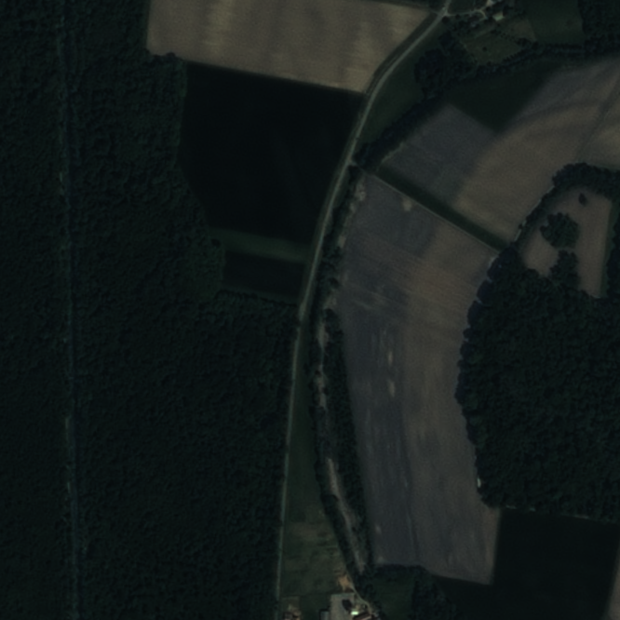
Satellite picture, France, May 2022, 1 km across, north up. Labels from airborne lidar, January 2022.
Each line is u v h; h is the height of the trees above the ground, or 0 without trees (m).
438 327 0
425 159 0
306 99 0
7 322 23
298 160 0
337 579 0
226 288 0
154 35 0
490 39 0
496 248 0
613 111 0
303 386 0
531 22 0
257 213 0
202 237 26
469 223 0
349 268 0
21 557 24
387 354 0
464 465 0
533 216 12
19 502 17
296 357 0
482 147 0
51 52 18
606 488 27
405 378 0
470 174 0
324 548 0
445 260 0
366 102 0
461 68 18
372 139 0
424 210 0
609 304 21
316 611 0
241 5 0
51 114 21
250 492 10
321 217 0
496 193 0
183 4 0
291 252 0
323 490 9
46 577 10
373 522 0
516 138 0
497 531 0
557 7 0
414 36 0
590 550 0
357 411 0
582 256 0
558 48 13
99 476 24
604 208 0
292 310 9
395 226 0
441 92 32
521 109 0
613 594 0
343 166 0
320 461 7
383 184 0
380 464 0
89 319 21
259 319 25
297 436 0
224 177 0
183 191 12
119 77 17
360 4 0
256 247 0
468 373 25
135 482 20
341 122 0
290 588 0
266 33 0
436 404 0
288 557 0
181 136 0
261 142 0
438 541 0
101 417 24
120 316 22
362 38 0
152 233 9
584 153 0
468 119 0
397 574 21
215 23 0
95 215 18
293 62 0
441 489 0
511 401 17
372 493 0
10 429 16
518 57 11
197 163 0
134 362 17
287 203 0
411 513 0
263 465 12
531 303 18
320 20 0
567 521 0
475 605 0
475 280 0
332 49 0
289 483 0
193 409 10
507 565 0
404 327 0
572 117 0
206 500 15
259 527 19
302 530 0
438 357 0
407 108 0
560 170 0
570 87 0
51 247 24
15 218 23
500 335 25
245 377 26
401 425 0
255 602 23
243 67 0
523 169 0
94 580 12
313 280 0
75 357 8
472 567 0
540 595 0
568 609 0
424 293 0
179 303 17
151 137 26
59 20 10
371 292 0
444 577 0
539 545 0
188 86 0
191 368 17
